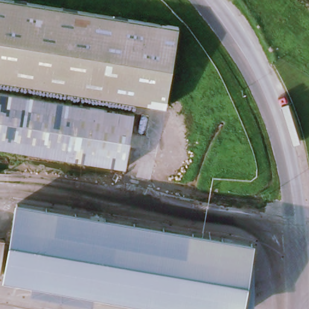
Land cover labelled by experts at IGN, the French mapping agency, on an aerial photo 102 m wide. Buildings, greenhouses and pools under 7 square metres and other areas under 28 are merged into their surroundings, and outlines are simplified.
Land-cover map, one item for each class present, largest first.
<instances>
[{"label":"building","instance_id":"1","mask_svg":"<svg viewBox=\"0 0 309 309\"><path fill-rule=\"evenodd\" d=\"M179 34V28L175 27L132 19L117 21L115 17L87 12H65L63 8L41 6L31 2L19 5L14 0H0V84L158 111L167 110L168 103ZM134 117L0 94V152L24 154L80 167L124 171L127 168ZM8 220L12 221V227L2 285L27 288L31 291V299L35 301L82 309H246L255 260L253 247L18 208L17 214L8 217ZM5 246L0 241V269Z\"/></svg>","mask_w":309,"mask_h":309},{"label":"impervious surface","instance_id":"2","mask_svg":"<svg viewBox=\"0 0 309 309\"><path fill-rule=\"evenodd\" d=\"M162 5L179 21L175 27L179 28V34L187 29L200 51L209 59L212 68H216V64L190 24L183 21L167 0H163ZM191 5L196 7L199 16L208 24L229 57L238 66L252 98L256 101L278 169L280 194L272 200H267L253 194L235 196L198 190L200 171L212 141L223 127L222 122L212 129L200 154L192 181L182 183V176L192 163L193 152L187 148L185 117L180 115V101L168 103L167 110L158 111L0 84V94L134 117L127 168L124 171L80 167L24 154L0 152V241L5 246L0 269V309H82L35 301L31 299V291L27 288L2 285L12 227V221L8 220V217L17 214L18 208L253 247L255 260L246 309H309V159L305 142L298 138L290 106L285 99V84L273 64L268 62L256 34L232 0H190Z\"/></svg>","mask_w":309,"mask_h":309},{"label":"herbaceous vegetation","instance_id":"3","mask_svg":"<svg viewBox=\"0 0 309 309\"><path fill-rule=\"evenodd\" d=\"M19 5L31 2L41 6L63 8L65 12H87L115 17L117 21L132 19L175 27L179 21L162 5L163 0H14ZM183 21L190 24L216 64V68H212L209 59L200 51L187 29L179 34L168 103L180 101V115L185 117L187 148L193 152L192 163L182 176V183L192 181L200 154L212 129L222 122L223 127L212 141L200 171L198 190L235 196L253 194L267 200H272L280 194L278 169L256 101L252 98L238 66L229 57L208 24L199 16L196 7L191 5L190 0H167ZM251 17L260 25L264 41L273 48V64L285 84V99L290 106L298 138L305 142L309 159V0H243Z\"/></svg>","mask_w":309,"mask_h":309},{"label":"brushwood","instance_id":"4","mask_svg":"<svg viewBox=\"0 0 309 309\"><path fill-rule=\"evenodd\" d=\"M256 34L268 62L273 64V48L264 41L260 25L251 17L243 0H232Z\"/></svg>","mask_w":309,"mask_h":309}]
</instances>
